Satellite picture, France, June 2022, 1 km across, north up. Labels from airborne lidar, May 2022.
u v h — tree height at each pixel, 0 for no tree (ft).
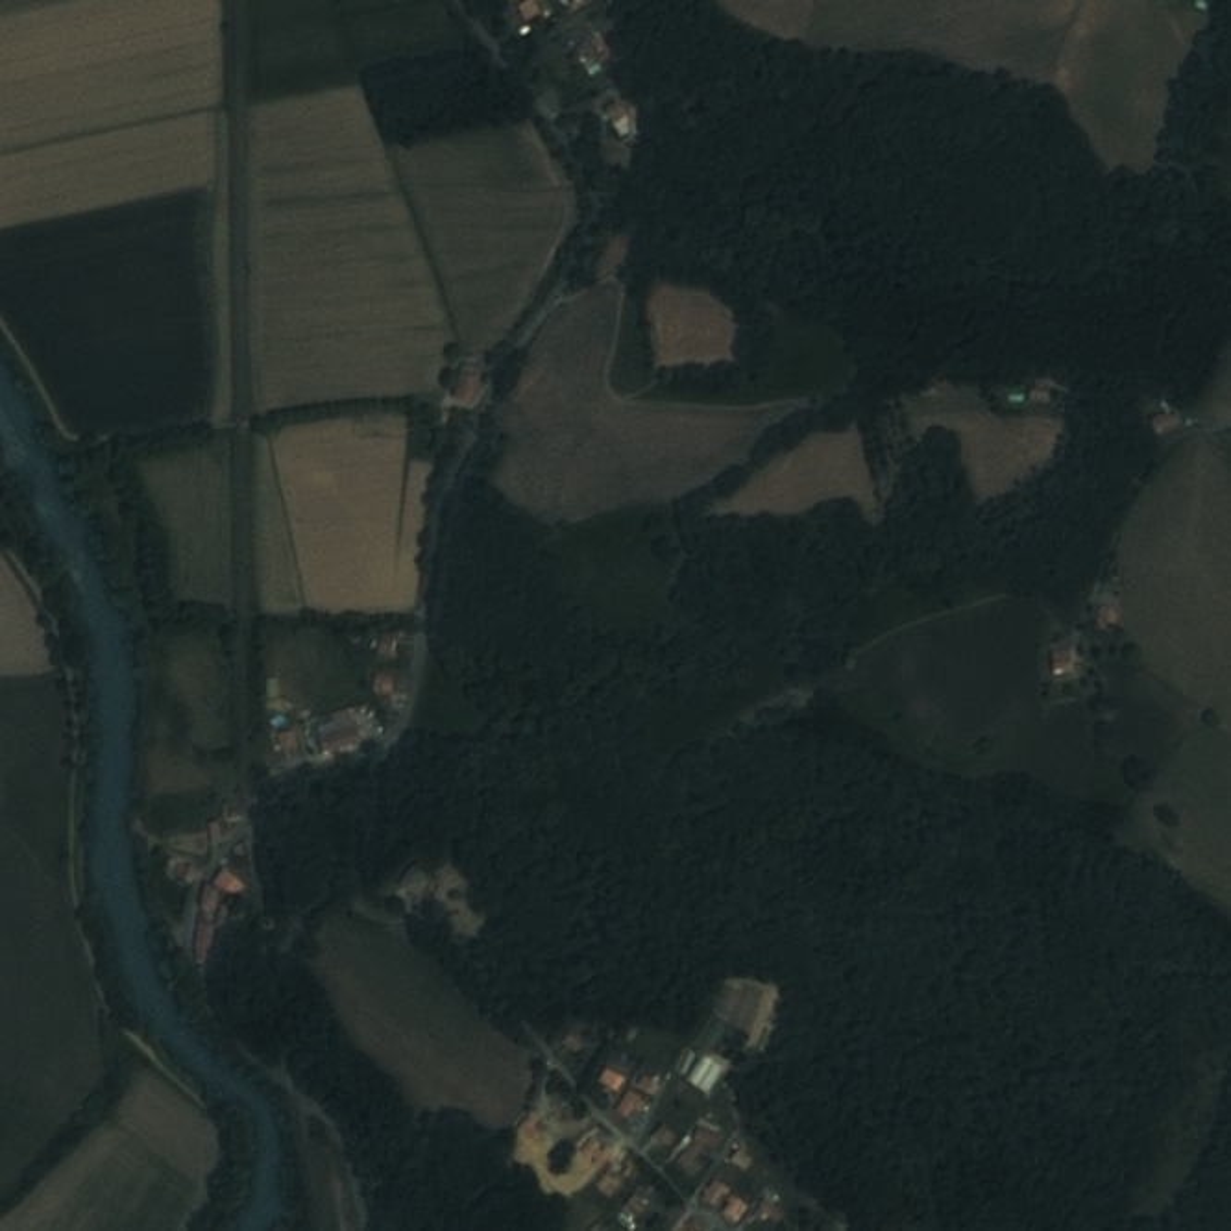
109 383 0
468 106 94
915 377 62
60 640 45
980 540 68
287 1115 26
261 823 73
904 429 30
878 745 22
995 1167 59
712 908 79
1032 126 60
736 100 67
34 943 0
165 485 0
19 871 0
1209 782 0
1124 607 0
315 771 59
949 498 78
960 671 0
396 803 64
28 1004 0
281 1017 68
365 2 0
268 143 0
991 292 89
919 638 0
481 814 78
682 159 79
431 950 57
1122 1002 89
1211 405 0
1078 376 50
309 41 0
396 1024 0
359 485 0
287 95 0
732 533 76
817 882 66
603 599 0
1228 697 0
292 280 0
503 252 0
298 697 0
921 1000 66
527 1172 49
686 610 76
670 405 0
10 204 0
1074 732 0
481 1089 0
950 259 83
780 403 0
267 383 0
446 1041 0
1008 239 69
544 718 74
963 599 0
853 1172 77
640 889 81
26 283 0
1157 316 56
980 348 78
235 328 0
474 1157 70
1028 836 75
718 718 0
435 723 0
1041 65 0
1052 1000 91
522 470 0
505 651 96
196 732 0
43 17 0
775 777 101
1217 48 65
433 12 0
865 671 0
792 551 69
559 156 43
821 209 91
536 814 94
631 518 0
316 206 0
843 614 76
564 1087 32
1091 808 38
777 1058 64
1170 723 0
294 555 0
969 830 107
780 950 59
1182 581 0
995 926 85
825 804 83
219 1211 43
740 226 34
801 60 64
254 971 80
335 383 0
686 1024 53
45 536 24
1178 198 88
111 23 0
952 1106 70
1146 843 0
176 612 60
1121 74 0
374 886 64
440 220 0
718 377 55
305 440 0
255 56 0
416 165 0
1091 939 70
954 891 80
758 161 75
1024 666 0
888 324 84
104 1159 0
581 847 50
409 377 0
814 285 73
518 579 70
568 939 81
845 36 0
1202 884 0
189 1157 0
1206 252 79
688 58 64
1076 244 69
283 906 65
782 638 78
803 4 0
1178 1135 0
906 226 79
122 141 0
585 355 0
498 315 0
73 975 0
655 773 62
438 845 55
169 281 0
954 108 62
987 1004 75
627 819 83
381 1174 83
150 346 0
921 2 0
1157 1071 57
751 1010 0
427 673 0
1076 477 70
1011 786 22
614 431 0
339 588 0
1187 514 0
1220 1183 65
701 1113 0
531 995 71
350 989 0
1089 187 66
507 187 0
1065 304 76
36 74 0
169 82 0
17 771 0
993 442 0
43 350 0
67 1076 0
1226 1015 81
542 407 0
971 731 0
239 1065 38
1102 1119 36
